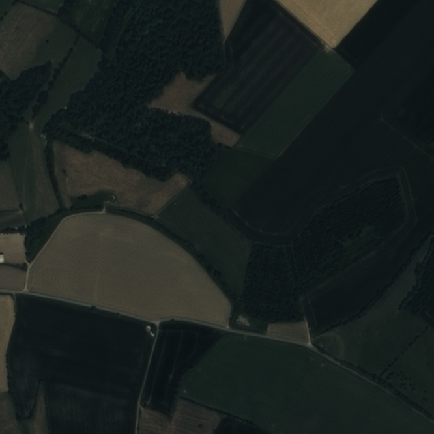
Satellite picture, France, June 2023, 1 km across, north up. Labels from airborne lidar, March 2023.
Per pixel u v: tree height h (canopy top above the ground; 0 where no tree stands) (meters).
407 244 0
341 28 0
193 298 0
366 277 0
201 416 0
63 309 0
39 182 0
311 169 0
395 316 0
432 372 0
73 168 0
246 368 0
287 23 0
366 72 0
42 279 0
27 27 0
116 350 0
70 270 0
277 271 11
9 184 0
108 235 0
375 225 8
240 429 0
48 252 0
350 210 10
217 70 23
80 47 0
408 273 0
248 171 0
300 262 9
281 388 0
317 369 0
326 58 0
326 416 0
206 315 0
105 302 0
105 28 0
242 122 0
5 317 0
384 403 0
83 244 0
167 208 0
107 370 0
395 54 0
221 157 0
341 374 0
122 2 7
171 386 0
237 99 0
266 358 0
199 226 0
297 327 0
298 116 0
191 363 0
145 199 0
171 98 0
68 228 0
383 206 9
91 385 0
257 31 0
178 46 27
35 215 0
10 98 23
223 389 0
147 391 0
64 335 0
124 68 16
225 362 0
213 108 0
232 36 0
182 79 0
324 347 0
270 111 0
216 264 0
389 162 0
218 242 0
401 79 0
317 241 8
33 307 0
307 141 0
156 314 0
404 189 0
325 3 0
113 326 0
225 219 9
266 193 0
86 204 0
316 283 10
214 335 0
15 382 0
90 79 0
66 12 19
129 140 13
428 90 0
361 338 0
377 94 0
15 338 0
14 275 0
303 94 0
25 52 0
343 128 0
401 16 0
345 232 9
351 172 0
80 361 0
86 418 0
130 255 0
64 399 0
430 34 0
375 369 0
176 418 0
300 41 0
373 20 0
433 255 9
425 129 0
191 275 0
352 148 0
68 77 0
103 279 0
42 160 0
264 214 0
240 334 0
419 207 0
